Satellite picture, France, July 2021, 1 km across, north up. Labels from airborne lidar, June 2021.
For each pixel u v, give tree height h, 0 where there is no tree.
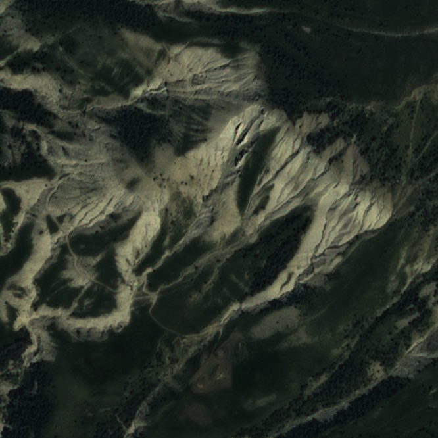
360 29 0
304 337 0
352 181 0
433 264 0
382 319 9
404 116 0
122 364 0
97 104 0
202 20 9
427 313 11
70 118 0
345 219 0
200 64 0
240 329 0
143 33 0
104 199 0
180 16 0
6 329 0
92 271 0
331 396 8
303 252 0
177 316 0
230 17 13
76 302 0
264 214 0
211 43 0
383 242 0
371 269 0
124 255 0
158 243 0
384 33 0
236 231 0
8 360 12
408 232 0
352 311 0
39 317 0
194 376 0
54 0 12
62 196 0
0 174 0
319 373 9
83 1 14
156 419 0
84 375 0
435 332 0
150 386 8
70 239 0
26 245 0
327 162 0
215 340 0
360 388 8
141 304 0
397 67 0
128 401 7
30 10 7
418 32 0
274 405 0
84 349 0
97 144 0
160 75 0
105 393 0
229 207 0
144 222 0
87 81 0
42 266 0
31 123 0
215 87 0
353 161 0
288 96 8
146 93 0
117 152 0
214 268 0
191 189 0
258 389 0
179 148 0
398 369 0
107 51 0
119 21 10
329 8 0
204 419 0
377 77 0
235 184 0
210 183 0
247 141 0
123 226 0
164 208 0
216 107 0
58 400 0
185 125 0
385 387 8
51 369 0
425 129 0
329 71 0
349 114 7
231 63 0
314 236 0
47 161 8
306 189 0
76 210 0
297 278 0
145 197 0
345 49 0
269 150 0
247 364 0
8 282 0
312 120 0
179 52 0
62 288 0
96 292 0
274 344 0
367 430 0
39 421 14
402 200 0
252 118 0
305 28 0
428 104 0
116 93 0
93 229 0
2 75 0
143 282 0
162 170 0
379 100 0
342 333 0
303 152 0
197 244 0
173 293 0
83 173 0
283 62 6
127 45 0
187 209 0
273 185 0
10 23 0
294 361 0
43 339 0
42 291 0
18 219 0
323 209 0
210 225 0
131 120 12
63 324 0
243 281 0
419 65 0
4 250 0
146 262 0
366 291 0
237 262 0
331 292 0
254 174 0
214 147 0
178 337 0
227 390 0
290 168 0
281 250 7
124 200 0
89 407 0
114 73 0
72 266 0
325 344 0
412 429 0
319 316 0
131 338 0
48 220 0
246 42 0
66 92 0
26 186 0
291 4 0
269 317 0
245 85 0
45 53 9
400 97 0
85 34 0
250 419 0
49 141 0
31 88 0
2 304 0
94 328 0
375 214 0
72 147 0
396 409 0
